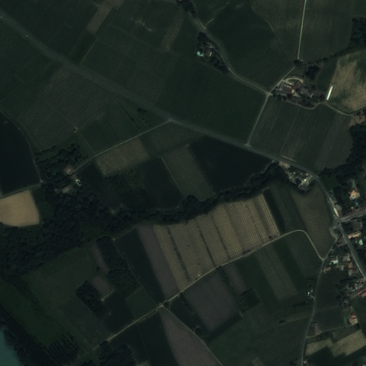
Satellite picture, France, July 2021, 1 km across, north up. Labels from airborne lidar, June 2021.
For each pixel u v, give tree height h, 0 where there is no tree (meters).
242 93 0
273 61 0
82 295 14
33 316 0
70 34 0
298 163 0
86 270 0
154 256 0
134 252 0
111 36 0
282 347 0
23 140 0
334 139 0
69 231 29
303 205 0
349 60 0
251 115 0
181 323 0
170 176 0
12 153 0
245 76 0
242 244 0
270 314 0
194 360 0
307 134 0
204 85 0
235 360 0
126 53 0
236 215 0
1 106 0
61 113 0
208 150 0
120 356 29
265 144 0
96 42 0
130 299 0
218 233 0
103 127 0
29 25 0
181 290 0
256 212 0
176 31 0
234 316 0
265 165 0
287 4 0
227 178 0
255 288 0
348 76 0
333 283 0
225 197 15
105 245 11
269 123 0
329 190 0
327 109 0
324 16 0
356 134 18
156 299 0
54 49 0
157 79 0
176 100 0
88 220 8
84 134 0
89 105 0
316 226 0
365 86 0
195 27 0
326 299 0
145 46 0
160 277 0
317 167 0
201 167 0
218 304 0
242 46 0
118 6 0
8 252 7
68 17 0
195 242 0
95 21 0
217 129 0
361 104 0
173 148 0
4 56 0
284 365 0
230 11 0
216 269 7
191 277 0
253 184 15
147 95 0
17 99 0
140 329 0
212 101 0
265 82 0
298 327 0
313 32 0
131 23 0
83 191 12
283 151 0
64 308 0
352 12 0
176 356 0
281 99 9
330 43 0
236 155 0
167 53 0
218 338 0
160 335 0
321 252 0
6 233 16
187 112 0
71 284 0
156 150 0
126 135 0
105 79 0
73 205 15
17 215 0
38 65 0
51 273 0
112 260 11
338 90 0
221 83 0
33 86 0
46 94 0
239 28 0
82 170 0
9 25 0
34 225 0
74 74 0
